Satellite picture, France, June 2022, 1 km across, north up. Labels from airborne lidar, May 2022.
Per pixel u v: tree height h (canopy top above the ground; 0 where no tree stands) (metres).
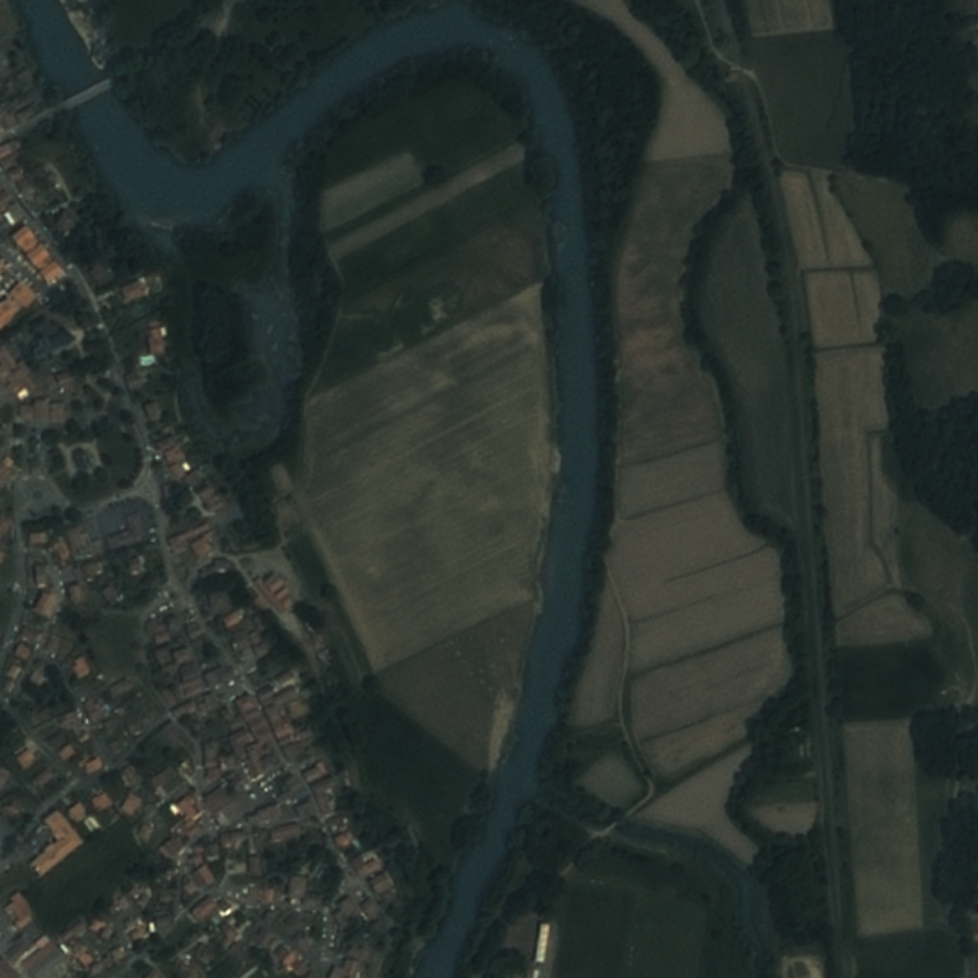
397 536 0
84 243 34
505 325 0
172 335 8
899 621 0
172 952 8
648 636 0
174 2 0
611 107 22
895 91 7
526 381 0
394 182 0
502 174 0
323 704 17
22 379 0
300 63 8
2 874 0
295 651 9
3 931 0
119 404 0
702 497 0
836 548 0
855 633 0
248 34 0
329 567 0
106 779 13
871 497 0
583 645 13
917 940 0
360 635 0
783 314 9
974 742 20
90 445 0
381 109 28
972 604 0
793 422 0
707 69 8
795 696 16
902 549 0
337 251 0
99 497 0
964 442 22
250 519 17
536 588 0
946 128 12
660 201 0
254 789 0
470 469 0
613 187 12
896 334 19
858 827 0
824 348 0
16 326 6
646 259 0
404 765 0
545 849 25
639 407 0
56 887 0
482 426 0
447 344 0
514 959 24
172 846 0
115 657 0
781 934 7
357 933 11
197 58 34
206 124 0
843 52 0
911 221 0
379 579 0
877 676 0
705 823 0
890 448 0
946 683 0
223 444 0
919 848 0
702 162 0
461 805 0
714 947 0
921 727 20
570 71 19
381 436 0
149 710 0
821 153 0
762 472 0
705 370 8
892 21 23
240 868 0
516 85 15
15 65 7
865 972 0
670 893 0
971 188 24
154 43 8
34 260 0
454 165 0
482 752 0
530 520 0
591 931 0
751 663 0
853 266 0
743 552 0
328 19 0
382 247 0
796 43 0
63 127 13
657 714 0
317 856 21
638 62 16
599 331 11
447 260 0
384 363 0
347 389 0
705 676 0
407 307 0
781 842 15
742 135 19
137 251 29
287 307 0
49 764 0
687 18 12
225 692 0
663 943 0
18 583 0
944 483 22
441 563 0
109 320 9
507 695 0
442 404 0
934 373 0
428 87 14
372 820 6
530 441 0
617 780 0
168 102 36
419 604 0
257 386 0
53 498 0
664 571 0
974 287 22
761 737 26
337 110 12
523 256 0
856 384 0
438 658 0
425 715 0
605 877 0
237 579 11
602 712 0
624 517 0
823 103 0
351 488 0
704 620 0
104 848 0
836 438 0
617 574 0
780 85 0
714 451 0
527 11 12
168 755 9
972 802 15
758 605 0
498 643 0
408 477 0
